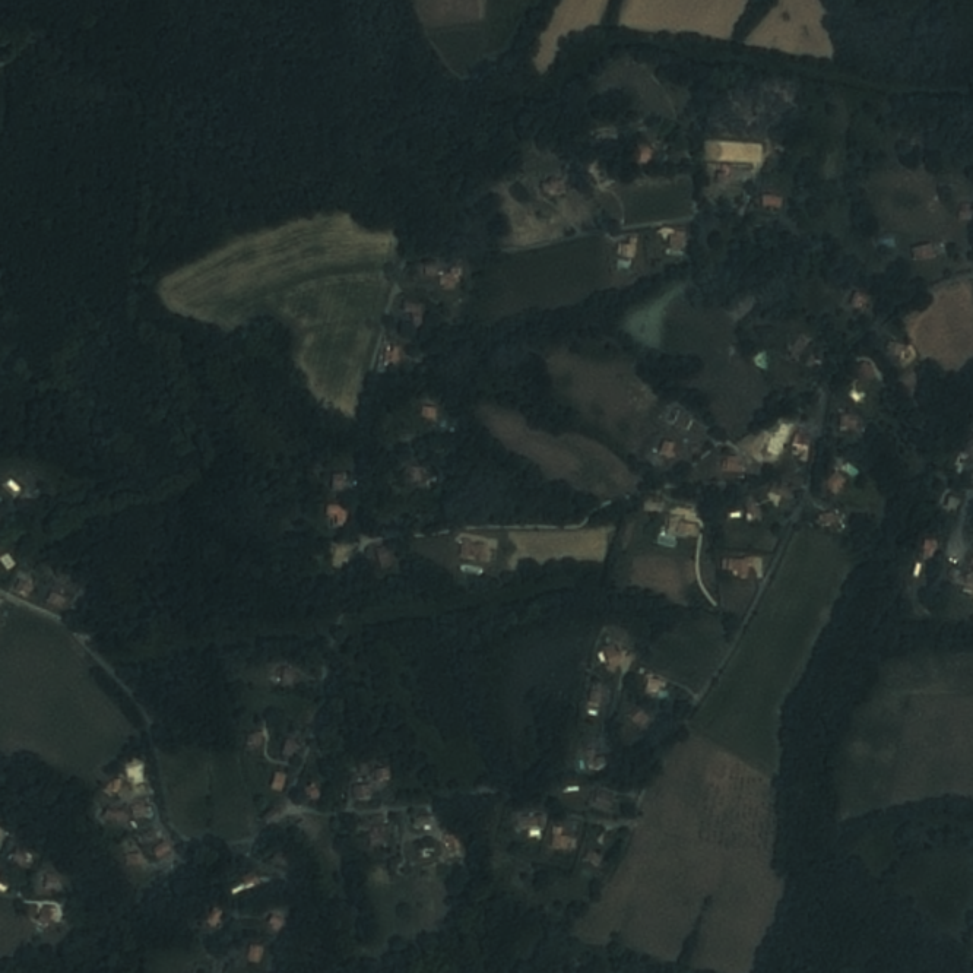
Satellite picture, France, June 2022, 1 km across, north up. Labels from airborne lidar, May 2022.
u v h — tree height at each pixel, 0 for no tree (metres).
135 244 21
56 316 22
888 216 0
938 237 0
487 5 0
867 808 0
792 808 19
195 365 21
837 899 27
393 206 22
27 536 15
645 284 15
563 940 15
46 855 13
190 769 0
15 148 13
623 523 10
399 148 28
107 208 15
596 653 0
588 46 15
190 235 23
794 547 0
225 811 0
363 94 24
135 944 17
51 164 18
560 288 0
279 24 24
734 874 0
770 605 0
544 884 12
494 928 10
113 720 0
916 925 20
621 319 10
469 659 19
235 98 27
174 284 0
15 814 24
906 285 16
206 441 30
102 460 15
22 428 7
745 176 0
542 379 20
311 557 23
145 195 23
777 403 11
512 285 0
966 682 0
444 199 13
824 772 11
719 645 0
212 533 17
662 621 13
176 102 9
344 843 18
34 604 0
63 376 23
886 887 10
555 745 9
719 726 0
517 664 0
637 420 0
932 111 23
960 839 9
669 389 18
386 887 0
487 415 0
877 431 16
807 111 15
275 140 29
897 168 0
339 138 27
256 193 24
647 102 0
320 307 0
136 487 14
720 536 10
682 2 0
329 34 21
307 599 22
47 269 19
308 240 0
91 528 20
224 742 18
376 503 20
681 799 0
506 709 0
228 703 18
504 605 7
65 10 29
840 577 0
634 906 0
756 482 14
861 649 23
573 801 0
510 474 7
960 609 0
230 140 22
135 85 20
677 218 0
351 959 29
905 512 21
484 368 17
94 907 27
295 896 23
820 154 0
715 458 0
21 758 17
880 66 18
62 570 9
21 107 15
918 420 21
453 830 17
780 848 9
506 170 16
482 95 27
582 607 20
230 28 23
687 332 0
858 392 0
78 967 27
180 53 24
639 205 0
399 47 19
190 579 16
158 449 23
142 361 19
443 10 0
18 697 0
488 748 21
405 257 20
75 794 14
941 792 0
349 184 21
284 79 27
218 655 24
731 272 22
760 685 0
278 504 22
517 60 19
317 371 0
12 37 25
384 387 23
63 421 18
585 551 0
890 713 0
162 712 19
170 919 25
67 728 0
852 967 26
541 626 13
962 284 0
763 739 0
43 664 0
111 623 9
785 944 18
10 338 25
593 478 0
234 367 9
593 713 0
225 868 18
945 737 0
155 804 13
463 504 22
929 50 18
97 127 17
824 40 0
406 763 8
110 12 19
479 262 7
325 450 17
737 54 12
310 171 26
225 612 22
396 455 11
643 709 16
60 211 17
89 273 18
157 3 20
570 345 10
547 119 24
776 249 24
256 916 12
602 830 7
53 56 11
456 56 0
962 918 0
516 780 16
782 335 0
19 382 25
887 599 24
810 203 12
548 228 0
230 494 20
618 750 12
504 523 12
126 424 23
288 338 21
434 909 0
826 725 24
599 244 0
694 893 0
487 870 15
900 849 7
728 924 0
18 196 16
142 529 24
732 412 0
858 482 8
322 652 17
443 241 21
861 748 0
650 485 7
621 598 13
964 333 0
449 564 0
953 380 19
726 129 23
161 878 8
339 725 13
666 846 0
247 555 14
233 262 0
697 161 11
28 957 23
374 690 10
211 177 25
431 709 9
